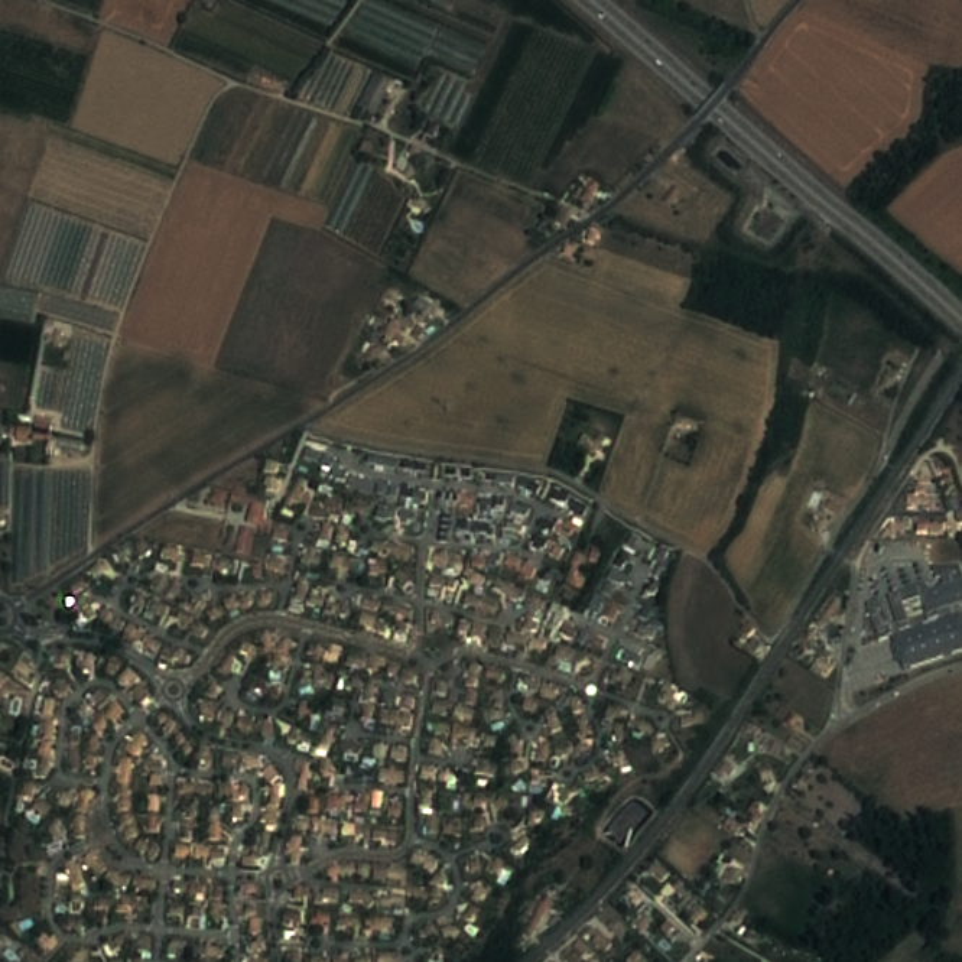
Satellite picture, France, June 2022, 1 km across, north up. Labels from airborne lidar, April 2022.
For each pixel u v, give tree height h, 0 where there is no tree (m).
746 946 5
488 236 0
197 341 0
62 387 0
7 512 0
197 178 0
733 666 0
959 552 0
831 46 0
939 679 0
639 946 6
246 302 0
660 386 0
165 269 0
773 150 0
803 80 0
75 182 0
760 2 0
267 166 0
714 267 8
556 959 0
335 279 0
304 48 0
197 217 0
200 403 0
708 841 0
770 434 10
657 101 0
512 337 0
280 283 0
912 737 0
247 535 0
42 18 0
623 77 0
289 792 0
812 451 0
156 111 0
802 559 0
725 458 0
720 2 0
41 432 0
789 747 0
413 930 7
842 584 0
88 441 9
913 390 0
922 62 0
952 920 0
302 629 0
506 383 0
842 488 0
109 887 11
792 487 0
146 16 0
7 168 0
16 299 0
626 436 0
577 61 0
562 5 7
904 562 0
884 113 0
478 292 0
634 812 0
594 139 0
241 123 0
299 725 9
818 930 14
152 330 0
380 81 0
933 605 0
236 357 0
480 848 0
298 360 0
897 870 14
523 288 0
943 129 8
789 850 0
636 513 0
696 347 0
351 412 0
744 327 8
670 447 0
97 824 0
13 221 0
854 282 7
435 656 0
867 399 0
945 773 0
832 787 0
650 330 0
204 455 0
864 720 0
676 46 0
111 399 0
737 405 0
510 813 11
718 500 0
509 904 6
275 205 0
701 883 6
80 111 0
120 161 0
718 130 7
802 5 0
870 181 7
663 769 0
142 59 0
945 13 0
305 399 0
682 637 0
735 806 12
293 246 0
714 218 0
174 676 0
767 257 7
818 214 0
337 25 10
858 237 0
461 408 0
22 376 0
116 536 0
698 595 0
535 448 0
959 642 0
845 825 13
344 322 0
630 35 0
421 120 12
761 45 0
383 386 0
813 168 0
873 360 0
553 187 0
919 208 0
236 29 0
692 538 0
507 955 9
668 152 0
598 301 0
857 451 0
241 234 0
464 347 0
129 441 0
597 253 0
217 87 0
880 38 0
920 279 0
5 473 0
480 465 6
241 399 0
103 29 0
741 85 0
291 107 0
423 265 0
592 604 0
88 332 0
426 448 0
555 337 0
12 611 0
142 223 0
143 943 0
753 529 0
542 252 0
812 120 0
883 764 0
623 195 0
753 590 0
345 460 0
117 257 0
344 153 0
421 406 0
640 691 0
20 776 10
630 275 0
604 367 0
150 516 0
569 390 0
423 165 11
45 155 0
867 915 10
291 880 0
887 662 0
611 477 0
